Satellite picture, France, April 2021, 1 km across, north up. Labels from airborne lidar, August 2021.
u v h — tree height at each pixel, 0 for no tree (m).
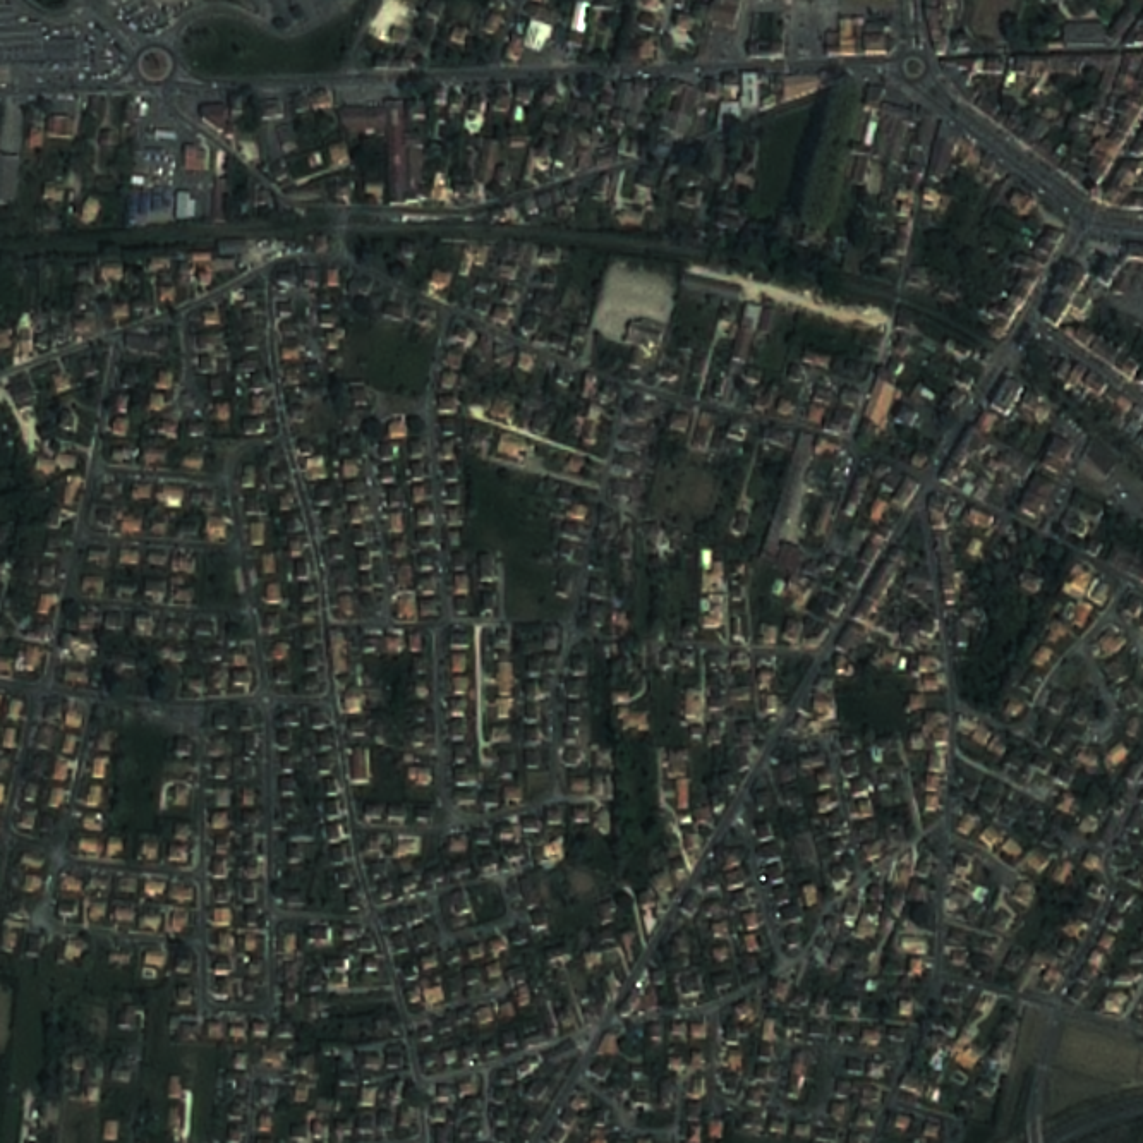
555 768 0
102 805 7
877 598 0
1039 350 21
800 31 0
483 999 0
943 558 0
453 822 0
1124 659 6
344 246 0
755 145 10
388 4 0
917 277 0
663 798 0
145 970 0
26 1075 0
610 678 7
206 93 0
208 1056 0
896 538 0
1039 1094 0
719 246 11
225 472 0
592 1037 0
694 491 0
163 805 0
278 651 0
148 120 0
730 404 0
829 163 34
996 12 0
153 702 9
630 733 7
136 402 15
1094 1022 0
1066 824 8
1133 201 0
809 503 0
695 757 0
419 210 0
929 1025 14
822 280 15
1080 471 0
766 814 7
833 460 8
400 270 14
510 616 0
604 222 8
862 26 0
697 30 10
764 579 0
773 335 8
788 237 14
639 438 0
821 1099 0
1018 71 0
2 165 0
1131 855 9
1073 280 0
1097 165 0
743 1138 0
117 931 0
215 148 0
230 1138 0
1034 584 0
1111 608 0
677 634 10
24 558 6
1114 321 9
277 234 0
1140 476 8
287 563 0
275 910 0
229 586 10
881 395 0
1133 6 16
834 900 7
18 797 0
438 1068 6
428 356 0
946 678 0
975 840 0
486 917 0
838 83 14
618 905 9
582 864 9
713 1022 0
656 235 7
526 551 0
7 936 0
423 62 8
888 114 0
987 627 6
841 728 6
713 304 7
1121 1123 0
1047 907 12
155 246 8
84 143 7
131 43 0
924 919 21
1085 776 8
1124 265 0
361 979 7
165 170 0
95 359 6
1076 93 11
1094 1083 0
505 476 8
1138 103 0
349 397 6
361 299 10
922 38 11
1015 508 7
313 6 0
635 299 0
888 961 9
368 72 0
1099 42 0
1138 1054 0
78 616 11
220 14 0
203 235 0
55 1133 7
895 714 0
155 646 6
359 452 6
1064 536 18
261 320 5
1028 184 6
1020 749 7
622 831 15
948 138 0
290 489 5
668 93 15
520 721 6
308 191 0
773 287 0
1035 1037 0
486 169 0
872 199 20
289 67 0
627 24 13
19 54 0
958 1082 0
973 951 7
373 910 0
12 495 8
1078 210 0
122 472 0
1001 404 0
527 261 0
